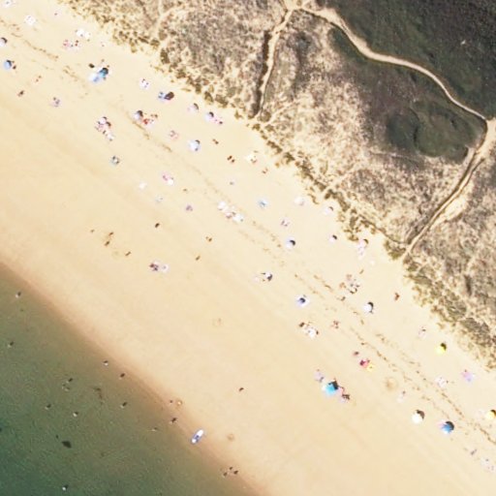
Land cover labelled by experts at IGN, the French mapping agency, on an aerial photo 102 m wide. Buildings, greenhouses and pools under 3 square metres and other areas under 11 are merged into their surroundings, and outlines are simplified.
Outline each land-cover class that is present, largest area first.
<instances>
[{"label":"bare soil","instance_id":"1","mask_svg":"<svg viewBox=\"0 0 496 496\"><path fill-rule=\"evenodd\" d=\"M256 6L254 0H0V306L12 310L21 324L33 327L31 335H35L37 343L56 351L58 360H62L70 368L72 376L76 372L99 374V386L103 387V393L108 395L112 403L128 401L136 432H143L147 436H163L167 440L165 453L169 455L170 463L178 467L176 477L190 480L194 484H205V488H209L213 496H496V256L494 263H488V250H482L477 246L475 252L469 256L459 244V256L453 260L449 258L444 240L434 242L432 246L428 244V232L430 223L436 217H440V213H446L451 223L463 221L471 229L482 232L486 231V219L490 215H496V143L486 157L477 159L484 138L477 136L475 145L469 147L467 157L461 163H448L440 157H426L424 170L405 172L399 169L395 165L397 151L382 149L378 145H368L364 138L360 114L368 110V105H364L358 99L355 85L349 81L355 76V62L341 56L329 41V31L337 27L333 21L325 19L322 15L312 14L306 10H294L289 25L279 35V45L275 46L273 64L267 66L271 33L263 31L262 27L244 25L246 19H252V8Z\"/></svg>","mask_w":496,"mask_h":496},{"label":"herbaceous vegetation","instance_id":"2","mask_svg":"<svg viewBox=\"0 0 496 496\"><path fill-rule=\"evenodd\" d=\"M318 6L331 8L339 17H343L356 35L372 50L399 56L430 68L434 74H438L448 83L449 89L463 103L488 114L490 118H496V0H316ZM329 41L341 56L355 62V76L349 81L355 85L358 99L364 105H368V110L360 114L364 138L368 145H378L382 149L397 151L395 165L399 169L405 172L424 170L426 157H440L448 163H461L467 157L469 147L475 145L477 136L484 138L488 124L482 118L451 105L442 89L430 77L422 76L405 66L366 58L337 27L329 31Z\"/></svg>","mask_w":496,"mask_h":496},{"label":"water","instance_id":"3","mask_svg":"<svg viewBox=\"0 0 496 496\"><path fill-rule=\"evenodd\" d=\"M33 327L21 324L12 310L0 306V496H213L209 488H205V484H194L190 480L176 477L178 467L170 463L169 455L165 453L167 440L163 436H147L143 432H136L128 401L112 403L108 395L103 393V387L99 386V374L76 372L72 376L70 368L62 360H58L56 351L37 343L35 335H31Z\"/></svg>","mask_w":496,"mask_h":496},{"label":"pervious surface","instance_id":"4","mask_svg":"<svg viewBox=\"0 0 496 496\"><path fill-rule=\"evenodd\" d=\"M256 6L252 8V19H246L244 25L262 27L263 31L271 33L267 66L273 64L275 46L279 45V35L289 25L294 10H306L312 14L322 15L325 19L333 21L337 27L366 58L405 66L422 76L430 77L442 89L451 105L482 118L488 124L484 138L477 159L486 157L496 143V118H490L488 114L463 103L449 89L448 83L438 74H434L430 68L399 56L372 50L356 35L343 17H339L331 8L318 6L316 0H254ZM444 240L449 258L453 260L459 256V244L469 256L475 252L477 246L482 250H488V263H494L496 256V215H490L486 219V231L482 232L471 229L463 221L451 223L446 213H440V217H436L430 223L428 232V244L432 246L434 242Z\"/></svg>","mask_w":496,"mask_h":496}]
</instances>
